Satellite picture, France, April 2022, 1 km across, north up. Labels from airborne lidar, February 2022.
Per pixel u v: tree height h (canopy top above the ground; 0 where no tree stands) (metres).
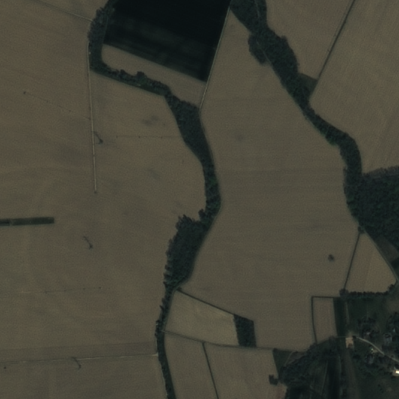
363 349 0
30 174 0
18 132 0
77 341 0
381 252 0
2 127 0
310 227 0
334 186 0
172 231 0
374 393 0
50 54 0
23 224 0
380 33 0
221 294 0
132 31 0
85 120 0
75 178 0
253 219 0
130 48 0
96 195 0
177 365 0
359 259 0
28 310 0
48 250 0
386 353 16
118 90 0
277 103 0
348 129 0
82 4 0
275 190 0
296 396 0
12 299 0
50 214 0
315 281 0
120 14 0
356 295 11
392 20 0
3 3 0
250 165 0
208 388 0
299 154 0
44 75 0
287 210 0
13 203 0
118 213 0
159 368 0
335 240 0
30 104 0
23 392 0
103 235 0
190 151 0
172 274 14
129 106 0
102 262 0
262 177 0
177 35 0
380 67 0
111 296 0
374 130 0
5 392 0
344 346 0
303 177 0
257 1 19
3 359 0
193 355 0
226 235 0
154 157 0
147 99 0
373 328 12
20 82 0
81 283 0
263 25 18
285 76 16
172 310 0
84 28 0
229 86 0
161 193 0
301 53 0
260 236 0
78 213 0
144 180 0
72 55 0
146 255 0
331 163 0
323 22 0
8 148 0
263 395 0
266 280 0
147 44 0
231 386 0
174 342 0
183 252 20
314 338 0
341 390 0
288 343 0
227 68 0
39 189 0
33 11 0
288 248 0
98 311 0
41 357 0
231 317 0
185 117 18
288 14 0
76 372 0
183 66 0
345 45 0
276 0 0
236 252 0
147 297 0
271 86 0
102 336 0
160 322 10
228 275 0
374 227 12
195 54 0
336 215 0
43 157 0
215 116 0
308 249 0
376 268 0
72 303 0
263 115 0
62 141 0
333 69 0
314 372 0
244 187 0
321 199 0
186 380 0
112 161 0
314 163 0
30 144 0
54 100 0
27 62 0
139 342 0
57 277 0
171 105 12
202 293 0
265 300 0
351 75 0
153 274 0
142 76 18
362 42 0
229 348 0
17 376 0
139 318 0
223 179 0
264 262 0
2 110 0
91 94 0
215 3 0
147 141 0
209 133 0
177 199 0
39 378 0
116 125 0
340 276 0
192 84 0
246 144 0
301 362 13
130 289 0
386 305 0
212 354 0
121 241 0
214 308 0
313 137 0
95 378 0
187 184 0
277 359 0
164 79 0
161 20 0
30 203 0
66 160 0
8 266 0
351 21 0
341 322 0
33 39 0
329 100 0
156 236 0
